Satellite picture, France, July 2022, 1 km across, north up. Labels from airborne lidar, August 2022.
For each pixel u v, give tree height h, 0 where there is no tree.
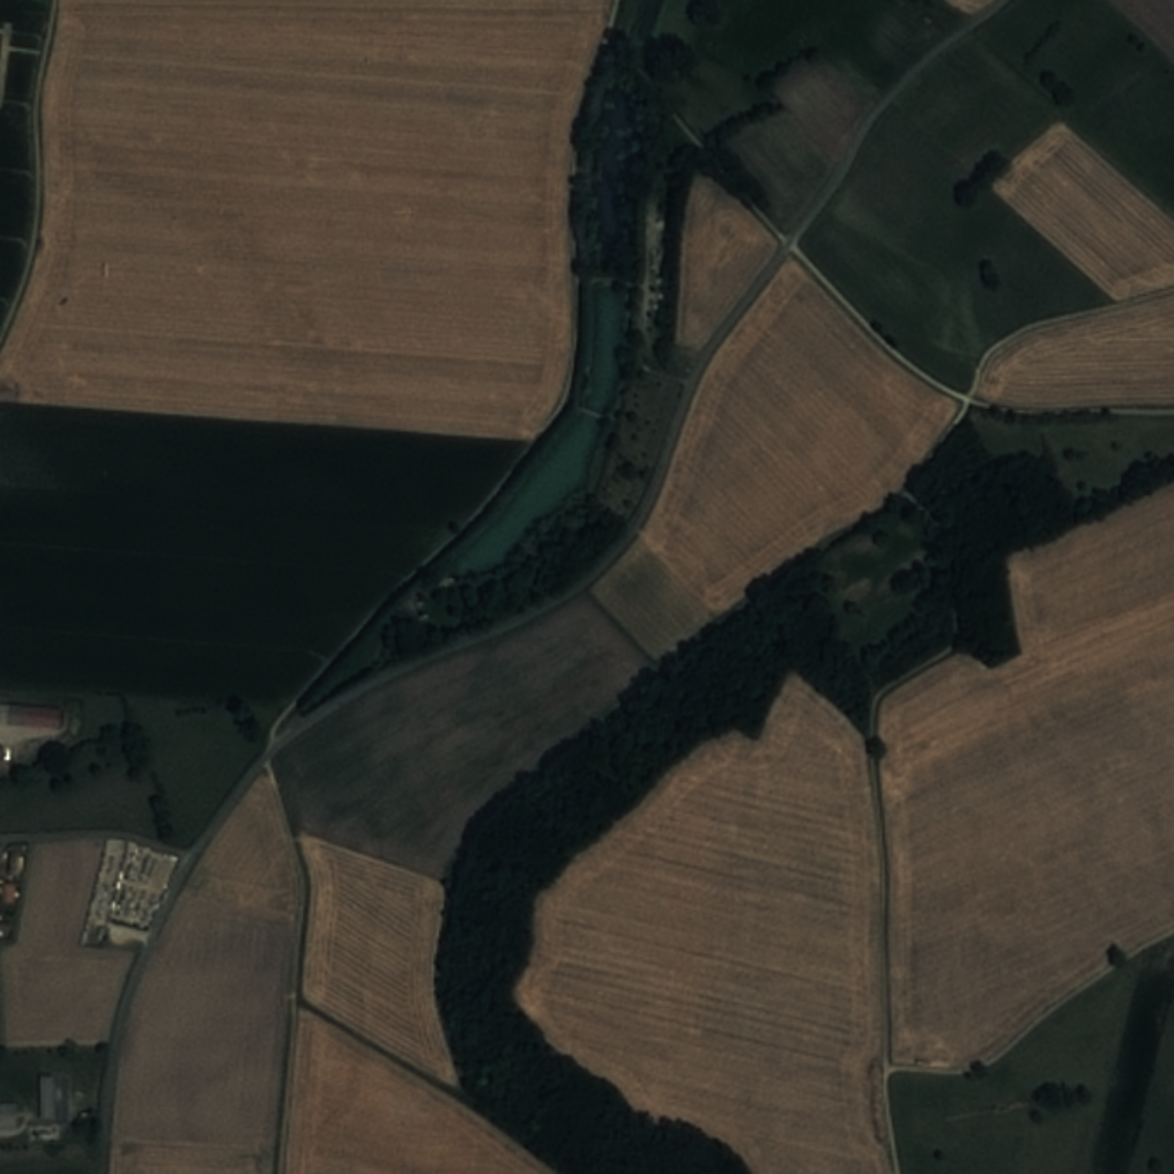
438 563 10
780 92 0
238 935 0
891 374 0
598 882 0
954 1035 0
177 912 0
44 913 0
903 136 0
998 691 0
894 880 0
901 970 0
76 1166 0
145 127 0
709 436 0
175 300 0
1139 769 0
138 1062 0
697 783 0
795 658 19
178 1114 0
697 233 0
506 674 0
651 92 16
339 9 0
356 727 0
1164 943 0
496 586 18
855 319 0
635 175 20
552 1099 18
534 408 0
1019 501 23
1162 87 0
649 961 0
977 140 0
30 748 0
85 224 0
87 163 0
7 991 0
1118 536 0
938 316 0
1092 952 0
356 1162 0
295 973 0
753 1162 0
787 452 0
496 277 0
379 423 0
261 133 0
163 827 10
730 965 0
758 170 0
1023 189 0
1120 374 0
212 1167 0
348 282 0
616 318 0
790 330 0
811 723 0
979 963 0
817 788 0
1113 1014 0
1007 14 0
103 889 0
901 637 14
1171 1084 0
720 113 0
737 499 0
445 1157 0
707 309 0
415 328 0
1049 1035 0
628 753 14
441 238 0
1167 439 0
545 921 0
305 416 0
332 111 0
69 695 0
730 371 0
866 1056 0
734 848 0
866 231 0
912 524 26
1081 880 0
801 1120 0
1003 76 0
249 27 0
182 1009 0
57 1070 0
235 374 0
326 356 0
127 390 0
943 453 10
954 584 19
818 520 0
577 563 14
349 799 0
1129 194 0
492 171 0
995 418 11
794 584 20
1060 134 0
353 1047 0
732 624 13
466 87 0
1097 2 0
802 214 0
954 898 0
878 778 0
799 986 0
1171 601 0
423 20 0
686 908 0
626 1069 0
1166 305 0
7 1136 0
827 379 0
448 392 0
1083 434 0
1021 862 0
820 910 0
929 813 0
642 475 8
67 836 0
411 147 0
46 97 0
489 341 0
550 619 0
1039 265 0
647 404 0
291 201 0
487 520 11
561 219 0
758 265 0
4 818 0
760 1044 0
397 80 0
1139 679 0
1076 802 0
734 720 22
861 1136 0
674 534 0
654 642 0
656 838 0
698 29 14
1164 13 0
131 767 9
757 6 0
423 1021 0
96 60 0
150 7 0
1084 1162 0
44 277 0
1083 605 0
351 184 0
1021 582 0
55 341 0
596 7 0
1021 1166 0
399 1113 0
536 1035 15
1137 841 0
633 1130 20
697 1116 0
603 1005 0
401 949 0
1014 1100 0
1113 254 0
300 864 0
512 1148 0
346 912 0
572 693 0
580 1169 7
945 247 0
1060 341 0
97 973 0
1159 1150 0
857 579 0
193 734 0
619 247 23
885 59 0
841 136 0
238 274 0
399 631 13
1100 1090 0
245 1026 0
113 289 0
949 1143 0
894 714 0
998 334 0
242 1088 0
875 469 0
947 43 0
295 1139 0
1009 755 0
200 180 0
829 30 0
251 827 0
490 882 14
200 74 0
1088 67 0
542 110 0
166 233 0
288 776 0
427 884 0
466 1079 8
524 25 0
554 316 0
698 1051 0
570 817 22
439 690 0
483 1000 25
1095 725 0
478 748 0
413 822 0
